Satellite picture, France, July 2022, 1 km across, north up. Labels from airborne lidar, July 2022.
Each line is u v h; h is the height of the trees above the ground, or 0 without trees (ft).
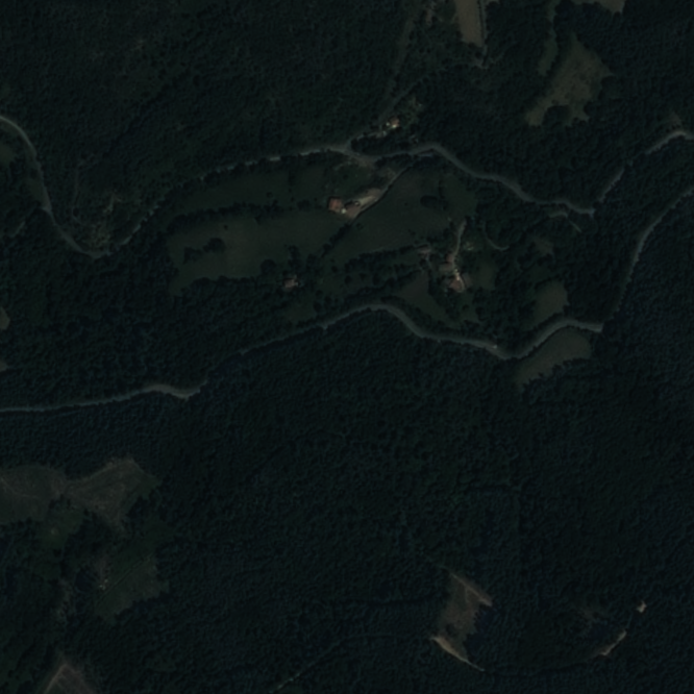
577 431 66
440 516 84
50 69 32
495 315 47
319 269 53
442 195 23
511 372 81
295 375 52
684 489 31
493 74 35
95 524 61
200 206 0
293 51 45
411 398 31
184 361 76
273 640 38
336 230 0
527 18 71
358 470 77
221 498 48
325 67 42
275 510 37
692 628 87
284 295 65
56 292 75
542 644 84
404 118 45
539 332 35
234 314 51
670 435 49
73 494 0
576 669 104
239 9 48
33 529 21
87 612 45
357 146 68
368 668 37
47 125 39
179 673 40
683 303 42
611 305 67
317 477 55
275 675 47
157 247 67
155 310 75
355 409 47
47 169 47
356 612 67
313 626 95
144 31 46
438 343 46
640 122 76
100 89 24
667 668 69
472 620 0
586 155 24
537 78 35
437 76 70
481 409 25
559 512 68
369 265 51
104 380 52
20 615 64
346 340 37
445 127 85
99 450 62
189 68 52
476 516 23
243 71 23
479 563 84
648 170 61
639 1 37
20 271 44
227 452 47
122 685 32
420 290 0
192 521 79
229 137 31
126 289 58
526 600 112
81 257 57
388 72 61
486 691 68
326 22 56
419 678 113
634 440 65
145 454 72
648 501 84
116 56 36
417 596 59
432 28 32
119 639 39
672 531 99
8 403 58
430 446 81
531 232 51
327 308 43
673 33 69
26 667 24
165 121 77
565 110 33
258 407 44
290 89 37
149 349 19
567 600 92
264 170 60
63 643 21
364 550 69
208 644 71
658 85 79
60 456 60
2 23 53
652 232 26
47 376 33
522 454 86
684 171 42
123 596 0
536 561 58
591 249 82
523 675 98
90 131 36
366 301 34
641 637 64
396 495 54
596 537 79
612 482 64
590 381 67
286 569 61
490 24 27
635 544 74
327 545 55
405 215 0
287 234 0
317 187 0
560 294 0
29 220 73
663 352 47
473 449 81
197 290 59
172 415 72
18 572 98
